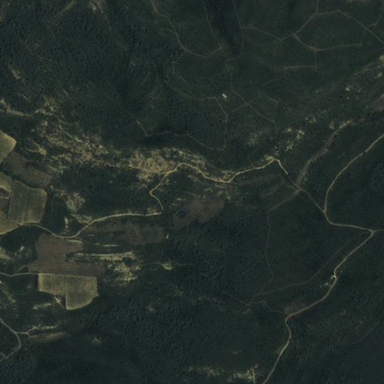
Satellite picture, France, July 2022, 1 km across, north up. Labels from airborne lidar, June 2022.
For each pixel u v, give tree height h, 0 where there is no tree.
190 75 0
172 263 8
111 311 6
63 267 0
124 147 0
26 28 13
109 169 9
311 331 7
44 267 0
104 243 0
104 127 8
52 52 7
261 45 0
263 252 7
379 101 0
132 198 8
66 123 0
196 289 8
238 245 9
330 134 0
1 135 0
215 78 6
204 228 7
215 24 7
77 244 0
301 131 0
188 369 6
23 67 6
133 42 13
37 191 0
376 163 11
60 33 6
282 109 0
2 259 0
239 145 7
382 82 0
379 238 8
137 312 6
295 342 7
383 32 0
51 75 7
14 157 0
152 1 0
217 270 7
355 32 0
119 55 7
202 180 7
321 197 5
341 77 0
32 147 0
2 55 13
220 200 0
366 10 0
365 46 0
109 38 7
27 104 8
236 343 0
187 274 9
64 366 8
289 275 0
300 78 0
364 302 16
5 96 8
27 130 0
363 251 7
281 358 11
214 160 0
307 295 7
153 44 9
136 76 7
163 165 0
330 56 0
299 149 0
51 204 0
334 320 6
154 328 10
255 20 0
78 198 0
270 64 0
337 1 0
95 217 0
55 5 9
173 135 10
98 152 0
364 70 0
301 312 0
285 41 0
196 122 7
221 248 12
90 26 7
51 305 0
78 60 9
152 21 0
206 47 0
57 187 0
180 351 11
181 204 0
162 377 8
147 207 8
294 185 0
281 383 8
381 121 7
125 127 8
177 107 9
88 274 0
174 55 11
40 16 11
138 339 10
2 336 10
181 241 9
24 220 0
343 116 0
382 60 0
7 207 0
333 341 9
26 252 0
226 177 0
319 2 0
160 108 8
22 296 0
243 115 7
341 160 7
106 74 9
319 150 0
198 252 11
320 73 0
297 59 0
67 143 0
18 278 0
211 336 6
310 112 0
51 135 0
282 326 7
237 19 0
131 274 0
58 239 0
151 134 8
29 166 0
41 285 0
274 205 0
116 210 0
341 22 0
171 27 0
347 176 6
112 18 10
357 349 7
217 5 8
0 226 0
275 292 0
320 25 0
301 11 0
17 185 0
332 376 9
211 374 8
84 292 0
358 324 7
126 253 0
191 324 8
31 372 7
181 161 0
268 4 0
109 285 0
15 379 11
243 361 0
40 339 0
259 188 6
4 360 9
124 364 6
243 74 0
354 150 0
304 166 0
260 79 0
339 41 0
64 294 0
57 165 0
